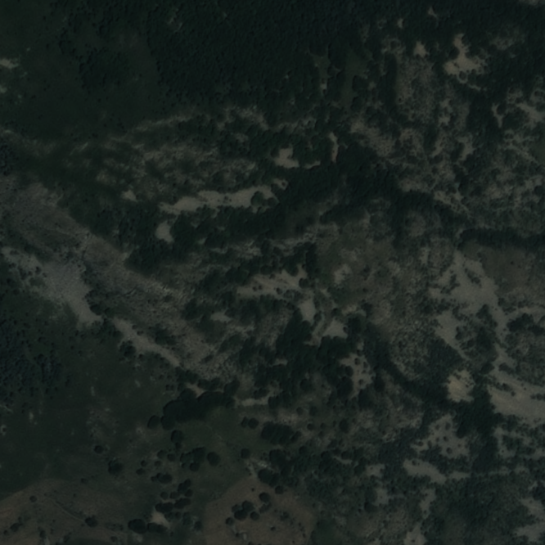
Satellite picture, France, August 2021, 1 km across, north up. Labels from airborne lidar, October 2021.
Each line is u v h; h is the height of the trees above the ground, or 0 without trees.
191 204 0
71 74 0
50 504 0
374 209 10
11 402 11
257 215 8
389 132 7
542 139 5
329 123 9
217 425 0
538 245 8
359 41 13
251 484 0
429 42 13
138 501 0
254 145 9
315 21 6
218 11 15
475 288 0
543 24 16
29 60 0
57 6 13
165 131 0
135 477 0
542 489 8
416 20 16
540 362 6
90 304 8
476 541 8
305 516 0
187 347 0
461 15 15
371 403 12
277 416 0
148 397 0
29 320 0
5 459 0
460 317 7
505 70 18
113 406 0
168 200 0
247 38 13
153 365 0
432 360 10
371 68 9
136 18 16
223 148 12
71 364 0
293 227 0
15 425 0
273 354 11
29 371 18
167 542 0
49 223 0
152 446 0
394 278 6
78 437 0
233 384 11
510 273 0
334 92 15
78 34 8
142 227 15
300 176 22
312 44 13
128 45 0
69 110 0
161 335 13
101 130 0
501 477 9
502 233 9
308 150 18
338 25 12
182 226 11
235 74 15
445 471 12
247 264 12
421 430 13
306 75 16
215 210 6
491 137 11
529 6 7
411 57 5
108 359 0
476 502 10
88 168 0
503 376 0
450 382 6
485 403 11
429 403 6
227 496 0
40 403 0
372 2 8
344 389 16
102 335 7
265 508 6
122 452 0
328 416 0
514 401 0
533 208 16
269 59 12
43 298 0
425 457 6
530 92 11
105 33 17
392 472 12
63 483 0
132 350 15
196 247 9
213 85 12
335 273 0
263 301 9
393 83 14
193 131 14
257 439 0
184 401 17
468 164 14
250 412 0
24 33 0
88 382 0
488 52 9
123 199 0
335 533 0
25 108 0
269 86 14
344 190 8
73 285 0
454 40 11
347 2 15
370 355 12
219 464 10
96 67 16
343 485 6
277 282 0
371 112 11
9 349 17
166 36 11
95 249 0
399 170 12
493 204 7
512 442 8
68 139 0
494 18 12
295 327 16
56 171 0
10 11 0
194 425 0
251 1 12
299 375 16
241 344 6
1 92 0
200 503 0
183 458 12
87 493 0
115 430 0
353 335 11
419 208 8
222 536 0
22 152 0
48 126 0
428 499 0
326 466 12
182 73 13
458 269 0
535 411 0
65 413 0
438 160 13
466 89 14
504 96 10
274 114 11
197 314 12
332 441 8
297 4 14
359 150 17
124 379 0
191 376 16
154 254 15
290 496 0
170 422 18
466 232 11
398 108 10
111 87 0
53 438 0
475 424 10
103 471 0
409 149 6
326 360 13
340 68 12
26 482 0
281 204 12
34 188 0
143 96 0
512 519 7
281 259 7
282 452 13
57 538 0
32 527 0
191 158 0
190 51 19
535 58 12
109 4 12
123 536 0
